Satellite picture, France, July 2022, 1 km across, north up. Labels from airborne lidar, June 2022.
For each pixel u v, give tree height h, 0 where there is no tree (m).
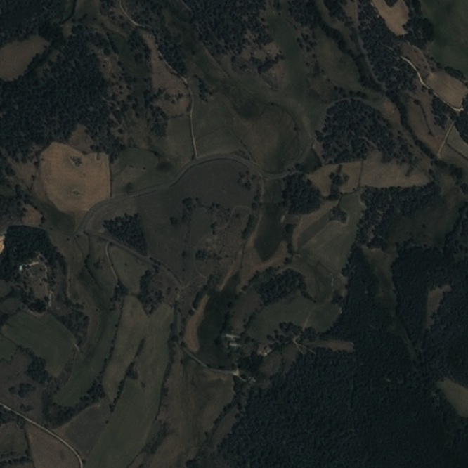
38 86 17
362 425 14
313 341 9
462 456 16
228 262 0
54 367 0
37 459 0
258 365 12
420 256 15
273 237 0
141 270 0
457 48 0
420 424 14
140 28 11
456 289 18
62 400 0
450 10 0
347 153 18
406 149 15
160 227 0
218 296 0
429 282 13
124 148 11
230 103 0
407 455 13
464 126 15
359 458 18
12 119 18
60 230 0
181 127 0
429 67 0
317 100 0
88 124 14
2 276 10
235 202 0
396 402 15
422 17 8
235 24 12
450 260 14
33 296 9
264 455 20
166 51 18
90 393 14
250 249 0
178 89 0
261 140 0
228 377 0
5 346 0
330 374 20
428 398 15
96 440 0
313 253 0
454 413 15
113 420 0
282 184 0
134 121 0
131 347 0
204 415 0
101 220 0
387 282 0
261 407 15
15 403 0
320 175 0
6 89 16
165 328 0
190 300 0
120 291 13
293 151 0
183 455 0
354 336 17
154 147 0
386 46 16
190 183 0
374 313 13
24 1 15
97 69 17
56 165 0
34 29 19
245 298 0
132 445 0
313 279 0
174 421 0
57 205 0
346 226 0
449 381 0
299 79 0
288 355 0
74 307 6
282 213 0
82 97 16
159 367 0
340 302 11
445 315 15
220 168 0
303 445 16
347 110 18
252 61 5
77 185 0
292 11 15
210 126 0
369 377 13
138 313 0
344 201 0
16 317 0
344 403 15
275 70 0
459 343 14
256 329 0
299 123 0
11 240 12
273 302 15
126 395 0
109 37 12
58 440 0
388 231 17
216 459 0
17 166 0
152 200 0
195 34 0
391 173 0
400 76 19
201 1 14
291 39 0
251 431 16
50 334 0
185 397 0
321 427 16
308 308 0
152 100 12
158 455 0
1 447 0
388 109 0
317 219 0
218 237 0
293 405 15
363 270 15
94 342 0
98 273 0
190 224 0
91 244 0
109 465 0
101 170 0
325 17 0
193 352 0
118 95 6
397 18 0
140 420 0
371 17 16
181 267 0
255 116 0
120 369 0
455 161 0
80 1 0
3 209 6
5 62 0
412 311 16
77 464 0
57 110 16
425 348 14
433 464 12
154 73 0
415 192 21
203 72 0
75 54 17
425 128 0
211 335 0
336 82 0
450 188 0
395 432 13
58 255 15
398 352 19
